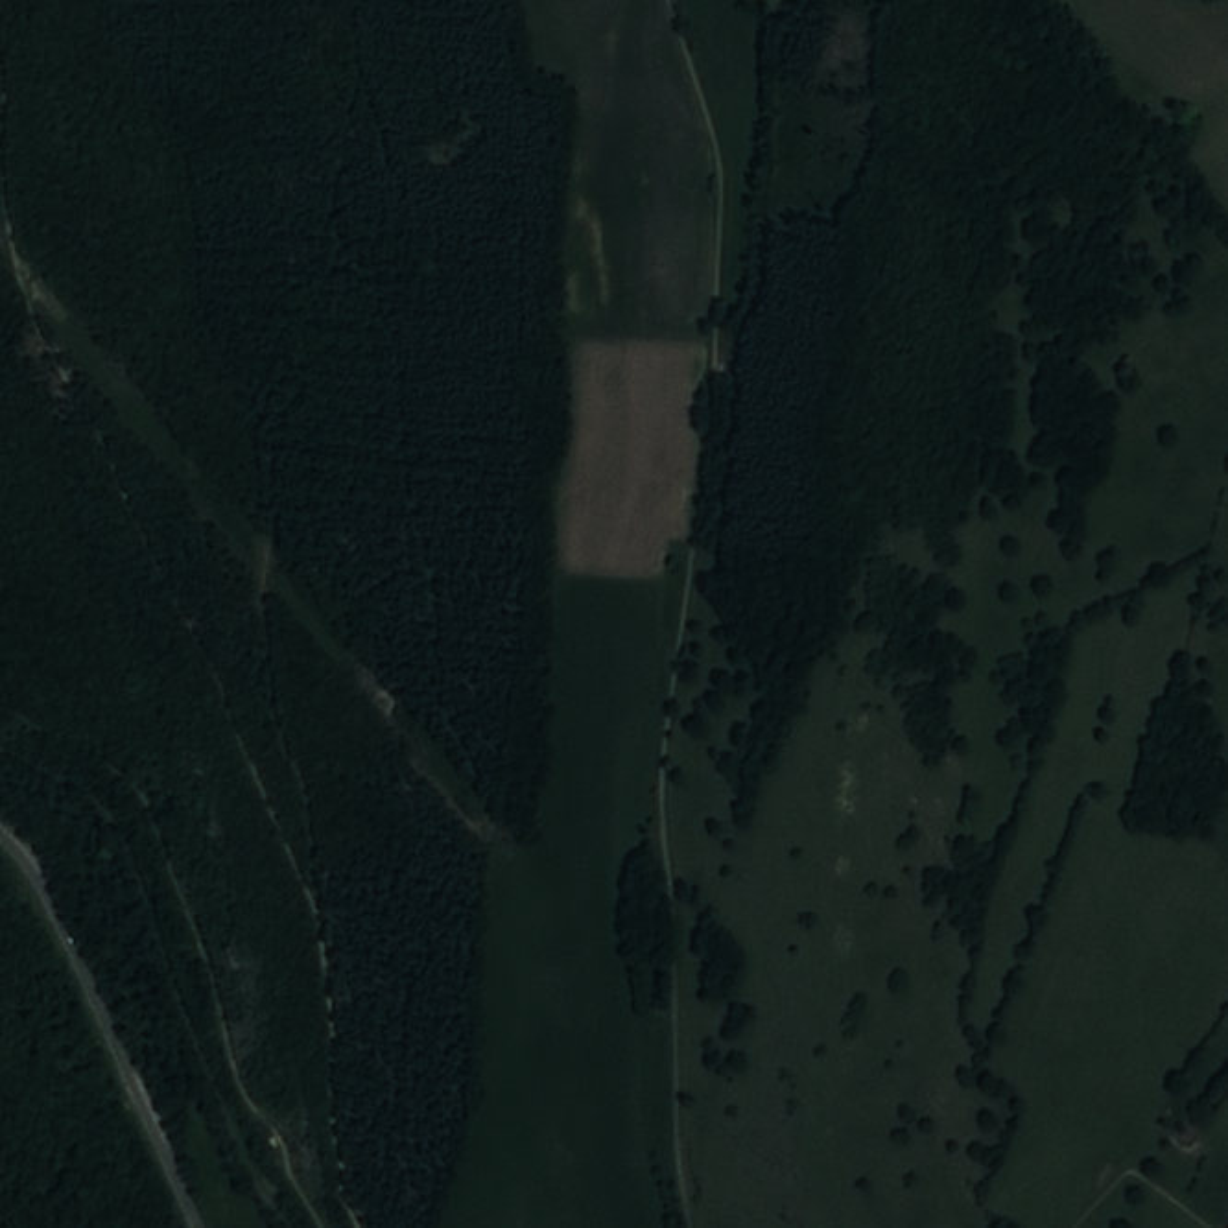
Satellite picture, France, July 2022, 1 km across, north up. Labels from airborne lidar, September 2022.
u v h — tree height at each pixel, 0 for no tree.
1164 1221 0
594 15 0
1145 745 15
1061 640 14
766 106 18
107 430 12
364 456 17
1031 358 15
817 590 16
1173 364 0
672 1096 0
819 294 21
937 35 11
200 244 18
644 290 0
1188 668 16
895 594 6
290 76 21
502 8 15
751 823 9
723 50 0
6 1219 21
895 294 11
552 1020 0
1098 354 0
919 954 0
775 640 16
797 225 25
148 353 11
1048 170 14
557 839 0
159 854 11
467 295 20
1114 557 14
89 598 9
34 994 23
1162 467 0
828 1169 0
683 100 0
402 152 22
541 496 18
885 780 0
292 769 11
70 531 13
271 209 15
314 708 12
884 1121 0
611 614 0
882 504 8
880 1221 0
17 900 12
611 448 0
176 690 10
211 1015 7
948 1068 0
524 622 19
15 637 13
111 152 11
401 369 15
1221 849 0
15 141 10
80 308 11
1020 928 0
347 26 12
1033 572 0
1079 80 17
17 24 12
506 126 20
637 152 0
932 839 0
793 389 21
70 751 15
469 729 24
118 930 28
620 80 0
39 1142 18
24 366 10
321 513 18
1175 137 16
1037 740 8
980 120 9
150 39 18
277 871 11
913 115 10
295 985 9
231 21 19
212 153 14
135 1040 20
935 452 10
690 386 0
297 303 14
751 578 21
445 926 20
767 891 0
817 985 0
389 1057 23
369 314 16
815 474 17
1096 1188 0
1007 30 21
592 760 0
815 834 0
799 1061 0
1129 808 11
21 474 10
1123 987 0
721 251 0
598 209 0
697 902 12
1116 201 14
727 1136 0
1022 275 9
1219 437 0
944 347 10
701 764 0
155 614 16
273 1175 8
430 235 22
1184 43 0
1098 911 0
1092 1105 0
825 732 0
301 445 21
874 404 11
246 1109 7
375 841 14
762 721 11
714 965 17
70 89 11
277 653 13
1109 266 21
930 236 8
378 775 14
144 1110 0
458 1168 19
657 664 0
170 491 13
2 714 9
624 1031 0
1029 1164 0
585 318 0
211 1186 0
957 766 0
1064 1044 0
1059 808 0
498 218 19
